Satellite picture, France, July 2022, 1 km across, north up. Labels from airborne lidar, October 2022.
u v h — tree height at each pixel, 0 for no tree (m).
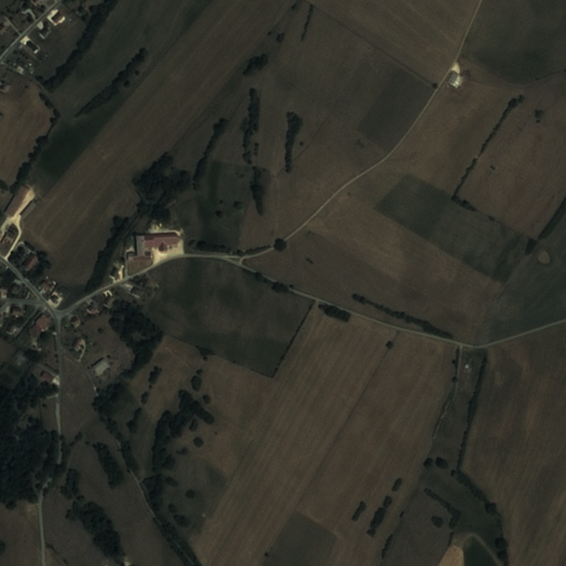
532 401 0
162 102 0
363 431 0
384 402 0
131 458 14
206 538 0
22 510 0
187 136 0
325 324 0
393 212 0
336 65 0
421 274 0
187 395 13
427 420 0
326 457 0
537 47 0
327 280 0
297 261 0
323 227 0
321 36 0
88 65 0
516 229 0
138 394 0
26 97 0
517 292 0
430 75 0
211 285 0
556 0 0
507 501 0
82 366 0
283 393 0
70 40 0
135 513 0
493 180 0
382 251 0
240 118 0
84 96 0
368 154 0
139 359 15
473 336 0
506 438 0
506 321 0
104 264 8
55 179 0
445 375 0
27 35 0
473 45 0
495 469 0
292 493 0
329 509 0
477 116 0
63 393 0
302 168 0
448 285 0
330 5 0
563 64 0
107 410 23
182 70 0
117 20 0
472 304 0
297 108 0
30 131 0
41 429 20
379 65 0
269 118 0
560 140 0
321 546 0
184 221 0
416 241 0
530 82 0
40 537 0
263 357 0
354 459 0
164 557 0
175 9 0
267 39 0
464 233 0
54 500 0
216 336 0
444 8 0
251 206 0
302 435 0
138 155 0
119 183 0
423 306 0
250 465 0
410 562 0
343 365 0
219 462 0
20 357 0
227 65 0
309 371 0
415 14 0
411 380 0
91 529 12
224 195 0
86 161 0
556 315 0
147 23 0
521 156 0
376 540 0
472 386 0
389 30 0
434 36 0
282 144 0
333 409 0
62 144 0
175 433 8
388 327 0
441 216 0
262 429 0
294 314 0
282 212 0
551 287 0
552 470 0
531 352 0
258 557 0
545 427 0
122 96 0
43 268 21
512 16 0
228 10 0
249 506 0
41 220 0
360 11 0
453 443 0
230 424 0
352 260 0
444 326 0
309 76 0
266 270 0
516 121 0
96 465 0
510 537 0
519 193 0
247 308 0
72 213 0
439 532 0
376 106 0
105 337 0
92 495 0
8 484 22
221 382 0
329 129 0
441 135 0
